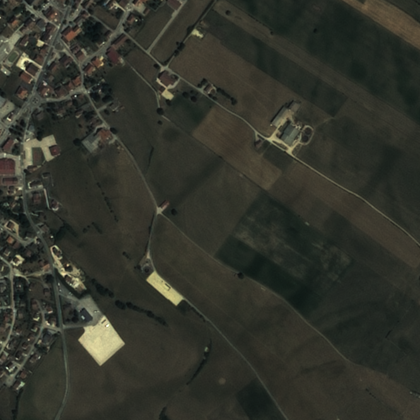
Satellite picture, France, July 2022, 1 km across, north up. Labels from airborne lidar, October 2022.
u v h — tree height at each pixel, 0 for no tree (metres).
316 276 0
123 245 0
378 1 0
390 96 0
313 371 0
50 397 0
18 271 0
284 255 0
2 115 0
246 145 0
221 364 0
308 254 0
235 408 0
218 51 0
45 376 0
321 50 0
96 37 17
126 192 0
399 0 0
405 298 0
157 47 0
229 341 0
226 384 0
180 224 0
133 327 0
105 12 0
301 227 0
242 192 0
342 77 0
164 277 0
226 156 0
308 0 0
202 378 0
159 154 0
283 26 0
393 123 0
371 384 0
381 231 0
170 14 0
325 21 0
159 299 0
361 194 0
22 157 0
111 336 0
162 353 0
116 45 0
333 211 0
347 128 0
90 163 0
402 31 0
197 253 0
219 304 0
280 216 0
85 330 0
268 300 0
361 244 0
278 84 0
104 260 0
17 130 8
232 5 0
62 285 0
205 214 0
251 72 0
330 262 0
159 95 0
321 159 0
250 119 0
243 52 0
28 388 0
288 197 0
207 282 0
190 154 0
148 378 0
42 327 0
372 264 0
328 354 0
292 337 0
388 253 0
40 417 0
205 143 0
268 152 0
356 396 0
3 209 11
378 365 0
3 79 0
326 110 0
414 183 0
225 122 0
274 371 0
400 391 0
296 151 0
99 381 0
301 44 0
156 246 0
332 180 0
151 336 0
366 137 0
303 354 0
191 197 0
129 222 0
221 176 0
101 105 0
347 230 0
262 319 0
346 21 0
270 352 0
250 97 0
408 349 0
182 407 0
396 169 0
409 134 0
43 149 0
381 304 0
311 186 0
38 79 0
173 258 0
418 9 0
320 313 0
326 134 0
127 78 0
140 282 0
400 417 0
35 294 0
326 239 0
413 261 0
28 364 0
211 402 0
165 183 0
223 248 0
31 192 0
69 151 0
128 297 0
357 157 0
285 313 0
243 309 0
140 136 0
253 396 0
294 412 0
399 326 0
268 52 0
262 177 0
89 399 0
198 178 0
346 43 0
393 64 0
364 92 0
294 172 0
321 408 0
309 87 0
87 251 0
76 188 0
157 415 0
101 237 0
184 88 0
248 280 0
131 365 0
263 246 0
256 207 0
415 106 0
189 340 0
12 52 0
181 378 0
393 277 0
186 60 0
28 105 0
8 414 0
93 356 0
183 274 0
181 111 0
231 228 0
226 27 0
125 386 0
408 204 0
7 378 0
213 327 0
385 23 0
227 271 0
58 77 0
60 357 0
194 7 0
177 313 0
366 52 0
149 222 0
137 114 0
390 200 0
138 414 0
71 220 0
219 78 0
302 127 0
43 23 0
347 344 0
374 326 0
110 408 0
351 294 0
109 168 0
